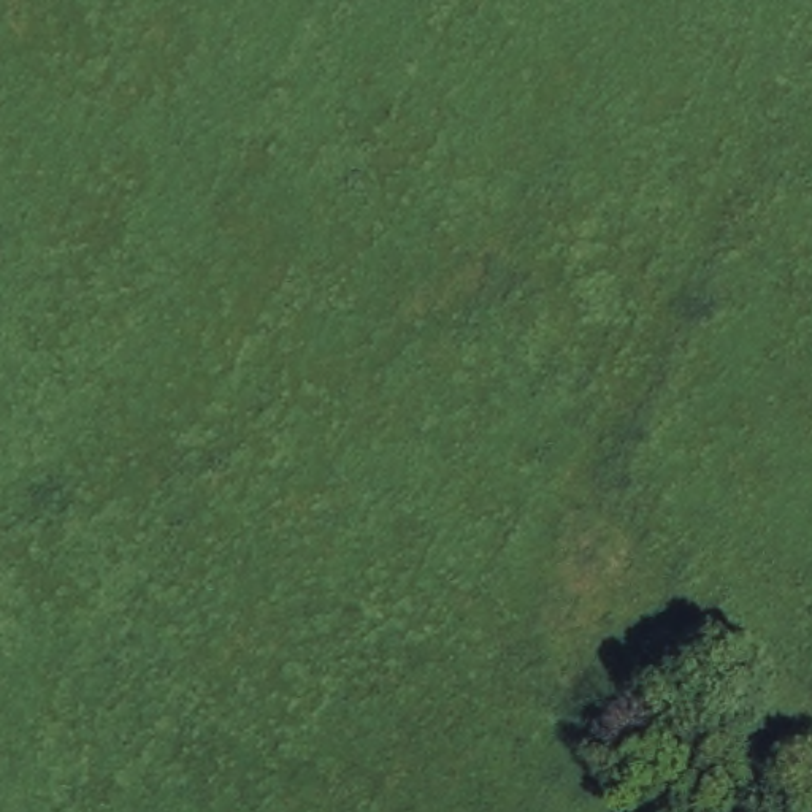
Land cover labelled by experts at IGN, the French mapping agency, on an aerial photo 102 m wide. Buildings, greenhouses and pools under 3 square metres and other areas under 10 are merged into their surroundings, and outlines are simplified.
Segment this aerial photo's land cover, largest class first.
<instances>
[{"label":"agricultural land","instance_id":"1","mask_svg":"<svg viewBox=\"0 0 812 812\"><path fill-rule=\"evenodd\" d=\"M701 606H717L733 622H739L736 638L742 647H761L774 657L777 679L790 698V707L783 714H771L749 736V780H768V764L777 758V742H793L796 736L812 733V0H0V812H606L603 796L584 790L580 771L558 736V723L577 720L584 704L603 701L609 695L612 679H631L647 666H657L666 653H679L682 644L698 641Z\"/></svg>","mask_w":812,"mask_h":812},{"label":"deciduous trees","instance_id":"2","mask_svg":"<svg viewBox=\"0 0 812 812\"><path fill-rule=\"evenodd\" d=\"M698 641L682 644L679 653H666L657 666H647L631 679H612L609 695L603 701L584 704L577 720L558 723V736L580 771L584 790L603 796L606 812H812V733L796 736L793 742H777V758L768 764V780H749V736L771 714H783L790 707V698L777 679L774 657L761 647H742L736 638L739 622H733L717 606H701Z\"/></svg>","mask_w":812,"mask_h":812}]
</instances>
